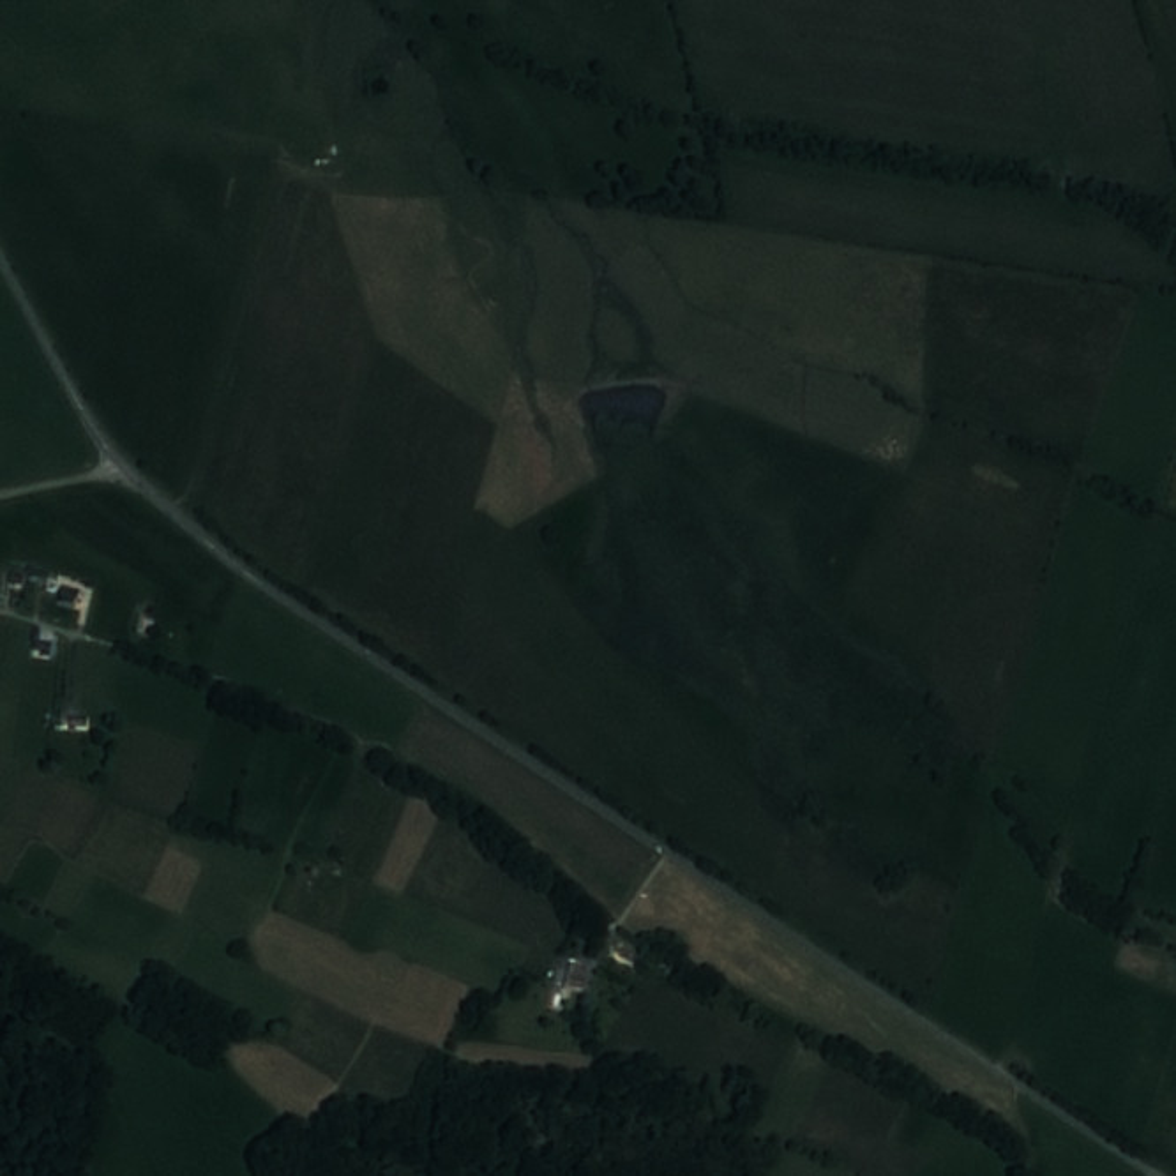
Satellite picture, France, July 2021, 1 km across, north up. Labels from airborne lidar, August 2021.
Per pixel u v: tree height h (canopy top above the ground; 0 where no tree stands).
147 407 0
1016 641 0
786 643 0
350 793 0
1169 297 9
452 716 0
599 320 0
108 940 0
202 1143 0
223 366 0
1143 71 0
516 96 0
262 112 0
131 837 0
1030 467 0
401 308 0
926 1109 17
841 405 0
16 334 0
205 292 0
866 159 6
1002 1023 0
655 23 0
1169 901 0
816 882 0
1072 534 0
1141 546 0
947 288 0
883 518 0
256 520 0
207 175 0
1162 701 0
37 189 0
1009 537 0
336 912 0
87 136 0
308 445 0
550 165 0
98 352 0
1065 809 0
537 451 0
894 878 14
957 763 0
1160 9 0
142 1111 0
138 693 0
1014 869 0
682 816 0
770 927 0
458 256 0
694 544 0
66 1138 29
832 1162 14
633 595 0
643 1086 25
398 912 0
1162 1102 0
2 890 14
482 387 0
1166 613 0
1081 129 0
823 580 0
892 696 0
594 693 0
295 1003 0
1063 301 0
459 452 0
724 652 0
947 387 0
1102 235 0
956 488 0
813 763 0
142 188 0
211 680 18
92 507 0
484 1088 26
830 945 0
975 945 0
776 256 0
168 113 0
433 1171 27
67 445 0
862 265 0
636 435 0
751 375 0
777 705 0
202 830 8
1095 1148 0
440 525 0
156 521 0
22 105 0
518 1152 33
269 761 0
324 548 0
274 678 0
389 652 10
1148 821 0
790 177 0
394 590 0
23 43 0
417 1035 0
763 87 0
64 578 0
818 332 0
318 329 0
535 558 0
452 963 0
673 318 0
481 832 17
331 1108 20
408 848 0
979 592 0
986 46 0
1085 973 0
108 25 0
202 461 0
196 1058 23
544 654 0
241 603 0
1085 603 0
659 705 0
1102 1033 0
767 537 0
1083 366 0
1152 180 0
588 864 0
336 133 0
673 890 0
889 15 0
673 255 0
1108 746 0
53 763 14
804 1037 9
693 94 11
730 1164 23
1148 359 0
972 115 0
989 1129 20
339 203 0
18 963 23
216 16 0
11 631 0
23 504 0
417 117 0
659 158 0
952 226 0
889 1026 0
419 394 0
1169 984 0
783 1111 0
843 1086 0
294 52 0
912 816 0
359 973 0
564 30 0
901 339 0
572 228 0
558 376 0
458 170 0
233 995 0
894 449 0
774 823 0
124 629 0
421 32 0
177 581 0
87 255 0
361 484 0
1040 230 0
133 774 0
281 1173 24
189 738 0
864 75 0
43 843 0
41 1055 25
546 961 0
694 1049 0
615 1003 10
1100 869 0
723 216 7
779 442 0
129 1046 0
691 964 13
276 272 0
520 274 0
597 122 0
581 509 0
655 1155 27
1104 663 0
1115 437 0
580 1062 0
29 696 0
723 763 0
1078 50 0
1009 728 0
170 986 20
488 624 0
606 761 0
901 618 0
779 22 0
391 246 0
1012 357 0
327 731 15
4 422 0
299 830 0
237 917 0
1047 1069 0
